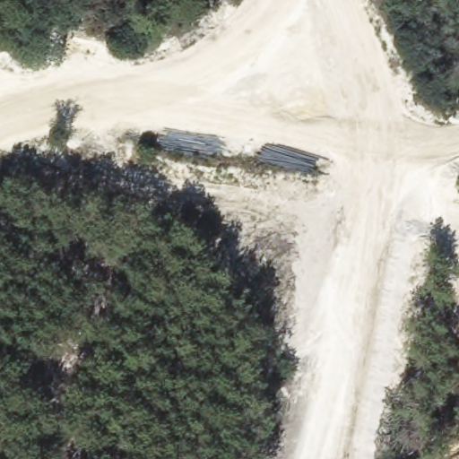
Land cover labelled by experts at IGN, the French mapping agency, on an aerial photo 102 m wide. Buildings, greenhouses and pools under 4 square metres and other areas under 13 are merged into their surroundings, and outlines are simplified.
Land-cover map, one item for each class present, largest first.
<instances>
[{"label":"pervious surface","instance_id":"1","mask_svg":"<svg viewBox=\"0 0 459 459\"><path fill-rule=\"evenodd\" d=\"M369 0H222L217 11H210L199 20L197 29L188 30L178 38L165 39L160 47L145 52V56L140 59H117L109 54L108 45L104 41L88 38L79 30H68V36L59 34L56 27H52L50 32L47 68H23L18 61H14L11 54L0 52V178L14 179L23 186L39 183L45 194H52L57 188L72 195L111 192L117 197H122L126 204L140 206L145 210L154 208L156 212L176 213L186 226L192 228L197 240H204V244L212 246L213 251L228 262L229 292H233L237 299L244 296L247 303L255 307L256 325L271 326L274 323L280 341L287 342L298 357V369L294 377L281 385L280 389L281 409L285 414L281 421L280 446L274 455L276 459H375L378 423L385 407V387H396L400 384L403 371L407 368V351L403 348V312L412 303V292L425 283V276L429 273L425 258L430 249L432 226L436 219H443V226H448L454 233V251L459 262V115L452 118L441 117L423 108L421 104H416L412 97L414 90L411 77L403 70L402 74H393V70L389 68V59L384 56V50L375 36V29L364 11ZM56 118L72 129L68 151L59 154L47 152L48 133ZM138 143L142 147H151L160 152L156 156L158 167H147L131 161L134 147Z\"/></svg>","mask_w":459,"mask_h":459},{"label":"coniferous trees","instance_id":"2","mask_svg":"<svg viewBox=\"0 0 459 459\"><path fill-rule=\"evenodd\" d=\"M222 0H0V52L11 54L14 61H18L23 68H47L50 32L52 27H56L59 34L68 36V30H79L88 38L104 41L108 45L109 54L117 59H140L145 56V52L160 47L165 39L178 38L188 30L197 29L199 20L210 11H217ZM228 262L213 251L212 246L204 244V240H197L192 228L186 226L176 213L156 212L154 208L145 210L140 206L126 204L122 197H117L111 192L72 195L57 188L52 194H45L39 183L23 186L14 179L0 178V459H276L274 455L280 446L281 421L285 414L281 409L280 389L281 385L294 377L298 369V357L287 342L280 341L274 323L271 326L256 325L255 307L247 303L244 296L237 299L233 292H229ZM429 273L425 276V283L412 292V303L403 312V348L407 351V368L403 371L400 384L396 387H385V407L378 423L375 459H459V262L454 251V233L448 226H443V219H436L432 226L430 249L425 258Z\"/></svg>","mask_w":459,"mask_h":459},{"label":"brushwood","instance_id":"3","mask_svg":"<svg viewBox=\"0 0 459 459\"><path fill-rule=\"evenodd\" d=\"M378 13L384 16L387 30L393 36L394 47L402 56L403 70L411 77L414 90L412 97L416 104H421L423 108L441 117L452 118L459 115V0H380V4L377 5Z\"/></svg>","mask_w":459,"mask_h":459},{"label":"deciduous trees","instance_id":"4","mask_svg":"<svg viewBox=\"0 0 459 459\"><path fill-rule=\"evenodd\" d=\"M72 129L56 118L48 133L47 152L59 154L68 151ZM160 152L151 147H142L138 143L134 147L131 161L147 167H158L156 156Z\"/></svg>","mask_w":459,"mask_h":459},{"label":"herbaceous vegetation","instance_id":"5","mask_svg":"<svg viewBox=\"0 0 459 459\"><path fill-rule=\"evenodd\" d=\"M380 4V0H369L364 11L375 29V36L384 50V56L389 59V68L393 70V74H402L403 70L402 56L394 47L393 36L387 30L384 16L378 13L377 5Z\"/></svg>","mask_w":459,"mask_h":459}]
</instances>
